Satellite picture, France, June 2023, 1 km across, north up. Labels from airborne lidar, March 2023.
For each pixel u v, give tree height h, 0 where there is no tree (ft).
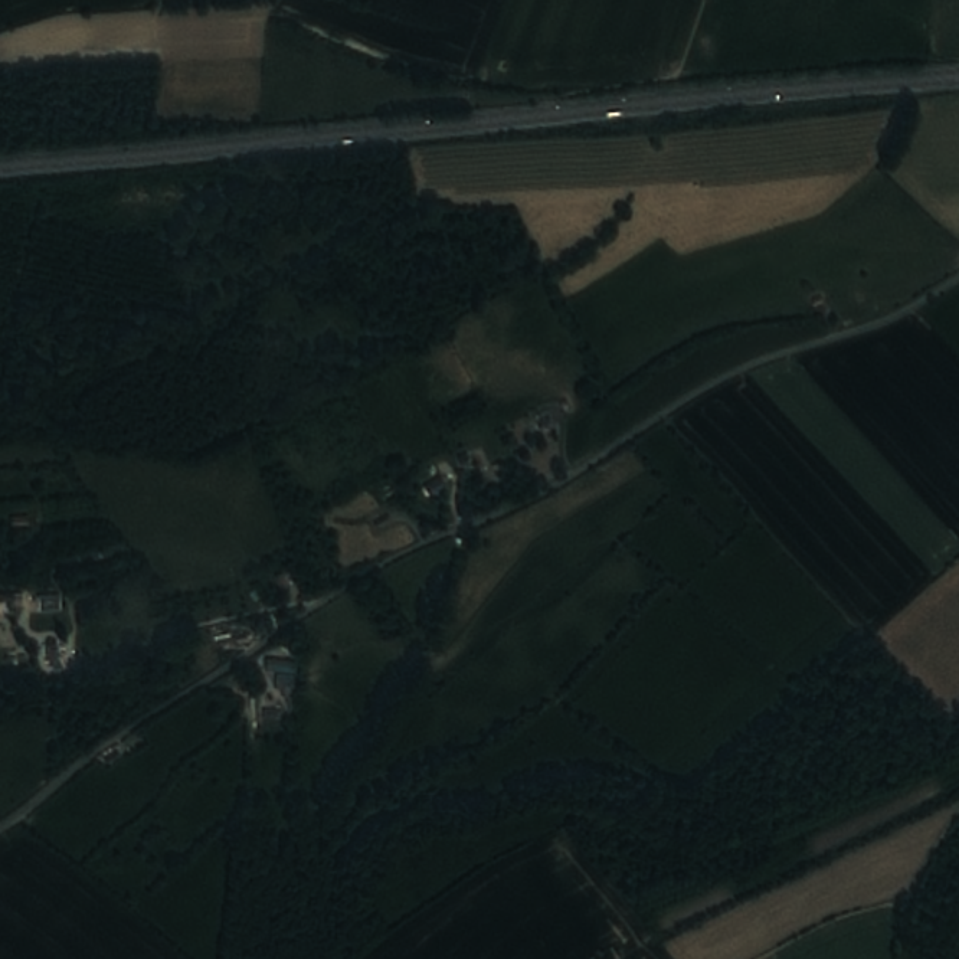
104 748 0
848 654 74
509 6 0
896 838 0
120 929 0
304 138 0
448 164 0
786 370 0
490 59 0
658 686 0
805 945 0
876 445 0
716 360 0
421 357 0
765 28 0
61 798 0
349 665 0
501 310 0
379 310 80
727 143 0
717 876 89
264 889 70
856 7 0
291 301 0
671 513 0
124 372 53
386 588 55
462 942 0
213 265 72
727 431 0
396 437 0
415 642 0
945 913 93
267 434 19
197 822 0
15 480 0
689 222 0
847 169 0
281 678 0
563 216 0
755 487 0
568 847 0
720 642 0
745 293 0
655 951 0
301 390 76
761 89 0
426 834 61
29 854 0
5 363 67
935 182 0
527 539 0
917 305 0
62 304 66
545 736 0
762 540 0
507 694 0
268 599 33
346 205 67
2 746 0
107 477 0
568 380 0
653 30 0
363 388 0
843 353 0
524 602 0
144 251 47
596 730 57
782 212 0
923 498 0
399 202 56
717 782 57
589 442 0
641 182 0
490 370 0
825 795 67
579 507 0
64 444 62
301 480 0
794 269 0
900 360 0
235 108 0
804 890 0
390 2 0
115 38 0
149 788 0
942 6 0
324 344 79
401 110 53
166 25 0
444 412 22
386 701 121
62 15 0
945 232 0
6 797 0
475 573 0
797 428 0
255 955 66
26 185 18
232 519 0
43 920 0
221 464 0
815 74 32
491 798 80
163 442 57
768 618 0
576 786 95
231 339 54
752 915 0
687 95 0
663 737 0
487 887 0
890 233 0
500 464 26
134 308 75
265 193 55
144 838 33
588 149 0
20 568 91
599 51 0
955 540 0
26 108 64
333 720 0
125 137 35
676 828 62
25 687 91
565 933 0
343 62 0
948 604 0
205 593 22
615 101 0
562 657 0
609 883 0
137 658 63
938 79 0
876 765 70
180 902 0
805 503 0
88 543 48
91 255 37
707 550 0
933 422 0
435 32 0
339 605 0
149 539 0
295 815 123
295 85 0
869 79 0
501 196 0
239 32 0
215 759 0
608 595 0
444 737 0
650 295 0
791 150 0
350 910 46
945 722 92
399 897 0
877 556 0
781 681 0
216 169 19
